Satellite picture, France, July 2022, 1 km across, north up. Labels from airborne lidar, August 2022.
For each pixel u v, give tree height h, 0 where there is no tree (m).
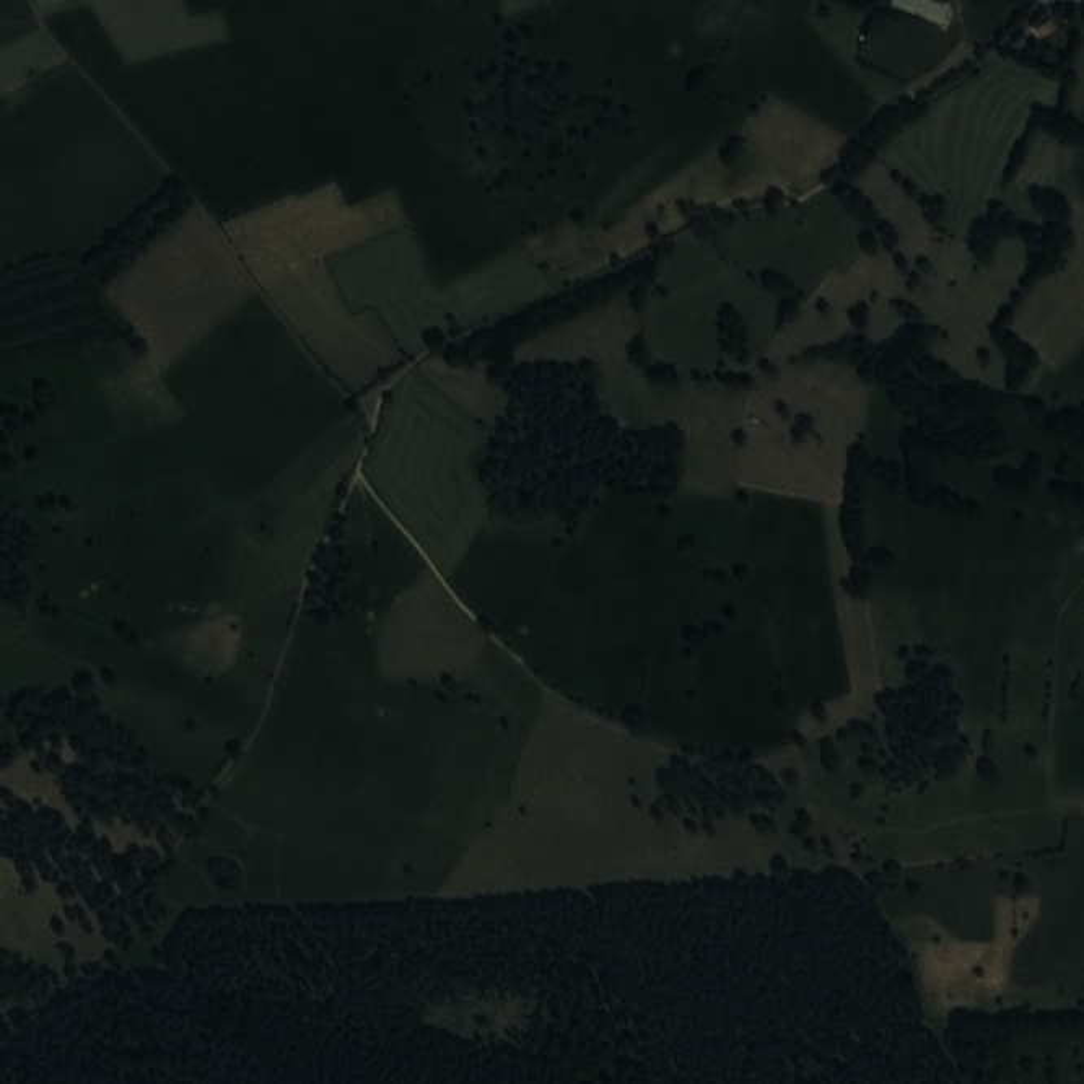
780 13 0
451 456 0
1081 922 0
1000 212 16
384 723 0
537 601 0
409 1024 25
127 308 0
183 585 0
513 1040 20
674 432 20
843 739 8
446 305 0
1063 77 20
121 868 19
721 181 0
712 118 0
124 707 0
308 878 0
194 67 0
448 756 0
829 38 0
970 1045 15
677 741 0
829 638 0
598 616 0
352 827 0
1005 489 16
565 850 0
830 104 0
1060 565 0
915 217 0
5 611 0
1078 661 0
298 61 0
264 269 0
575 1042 10
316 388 0
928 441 22
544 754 0
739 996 29
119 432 0
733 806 20
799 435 14
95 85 0
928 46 0
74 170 0
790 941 29
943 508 21
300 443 0
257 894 0
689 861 0
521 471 17
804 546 0
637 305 17
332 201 0
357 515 0
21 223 0
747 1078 22
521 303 0
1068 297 0
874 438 0
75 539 0
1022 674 0
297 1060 26
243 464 0
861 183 0
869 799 0
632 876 0
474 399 0
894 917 0
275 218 0
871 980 28
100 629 0
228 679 0
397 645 0
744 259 0
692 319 0
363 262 0
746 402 0
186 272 0
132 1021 25
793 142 0
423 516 0
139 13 0
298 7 0
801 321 0
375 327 0
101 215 0
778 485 0
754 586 0
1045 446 0
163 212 10
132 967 0
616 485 14
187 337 0
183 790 20
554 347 0
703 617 0
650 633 0
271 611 0
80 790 22
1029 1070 12
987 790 0
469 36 0
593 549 0
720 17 0
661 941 24
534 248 0
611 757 0
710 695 0
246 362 0
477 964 20
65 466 0
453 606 0
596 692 0
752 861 0
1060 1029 19
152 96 0
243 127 0
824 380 0
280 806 0
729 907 24
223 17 0
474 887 0
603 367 0
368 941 21
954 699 21
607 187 0
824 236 0
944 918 0
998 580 0
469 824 0
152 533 0
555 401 26
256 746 0
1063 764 0
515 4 0
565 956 22
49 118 0
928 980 0
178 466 0
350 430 0
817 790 0
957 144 0
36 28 0
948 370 13
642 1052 17
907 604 0
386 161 0
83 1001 25
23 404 0
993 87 0
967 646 0
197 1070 26
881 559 18
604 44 0
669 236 7
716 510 0
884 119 17
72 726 22
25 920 0
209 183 0
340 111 0
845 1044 25
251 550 0
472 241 0
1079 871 0
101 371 0
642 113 0
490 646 0
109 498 0
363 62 0
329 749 0
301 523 0
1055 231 22
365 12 0
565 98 11
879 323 0
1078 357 0
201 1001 32
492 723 0
